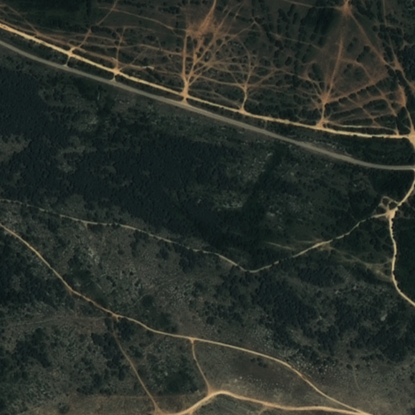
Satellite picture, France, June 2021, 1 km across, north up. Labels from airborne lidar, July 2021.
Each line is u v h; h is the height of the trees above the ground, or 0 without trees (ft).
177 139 33
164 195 45
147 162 49
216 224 37
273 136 0
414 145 0
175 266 0
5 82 36
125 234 0
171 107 0
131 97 0
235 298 35
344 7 0
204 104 25
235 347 0
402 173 22
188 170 35
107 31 20
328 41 0
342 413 0
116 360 28
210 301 0
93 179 37
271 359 0
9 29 0
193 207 47
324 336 37
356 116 0
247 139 0
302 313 34
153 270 0
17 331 0
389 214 0
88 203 19
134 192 34
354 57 0
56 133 41
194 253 33
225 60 0
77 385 0
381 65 0
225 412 0
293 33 0
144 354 0
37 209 29
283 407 0
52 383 0
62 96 31
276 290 38
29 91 45
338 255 0
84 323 0
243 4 0
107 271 0
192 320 0
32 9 0
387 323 20
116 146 21
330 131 0
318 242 0
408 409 0
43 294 31
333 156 0
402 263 25
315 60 0
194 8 0
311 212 28
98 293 0
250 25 0
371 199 24
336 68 0
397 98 0
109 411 0
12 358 19
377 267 0
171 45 0
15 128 42
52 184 45
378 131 18
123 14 0
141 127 29
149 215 35
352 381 0
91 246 0
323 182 32
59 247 22
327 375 0
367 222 25
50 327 0
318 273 46
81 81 29
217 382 0
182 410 0
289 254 26
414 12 20
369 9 19
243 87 0
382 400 0
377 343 31
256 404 0
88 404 0
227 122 0
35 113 32
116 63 0
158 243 29
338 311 37
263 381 0
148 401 0
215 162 19
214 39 0
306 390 0
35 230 0
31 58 0
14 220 0
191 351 0
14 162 36
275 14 0
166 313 0
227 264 0
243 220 35
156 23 0
